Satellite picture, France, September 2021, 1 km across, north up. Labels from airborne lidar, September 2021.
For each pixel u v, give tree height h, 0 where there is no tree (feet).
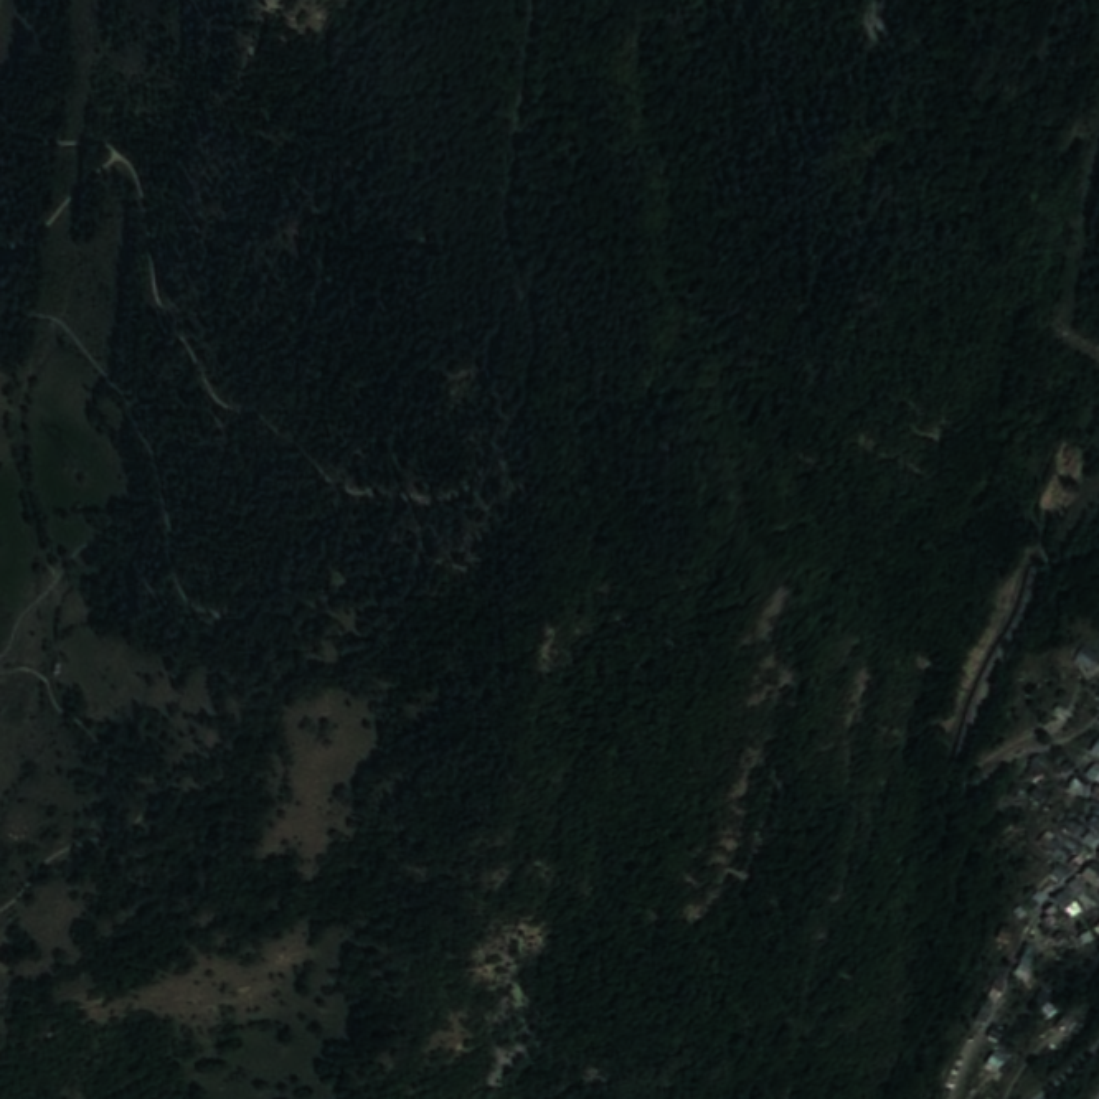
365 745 0
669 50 65
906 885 51
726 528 59
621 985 63
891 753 43
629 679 96
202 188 99
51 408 0
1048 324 54
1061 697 27
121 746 31
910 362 63
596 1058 55
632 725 70
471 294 87
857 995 57
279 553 28
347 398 48
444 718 51
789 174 87
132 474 46
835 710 24
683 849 51
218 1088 0
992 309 62
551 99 70
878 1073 41
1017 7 67
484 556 42
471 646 49
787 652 43
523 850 51
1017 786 24
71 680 0
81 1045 36
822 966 39
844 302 64
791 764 65
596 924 71
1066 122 67
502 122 67
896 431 43
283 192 36
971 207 75
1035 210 56
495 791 61
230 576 32
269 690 49
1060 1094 47
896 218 79
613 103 85
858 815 28
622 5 59
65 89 51
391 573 44
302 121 66
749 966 43
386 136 71
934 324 66
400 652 66
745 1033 36
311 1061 0
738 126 64
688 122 57
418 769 42
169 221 36
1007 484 35
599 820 35
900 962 41
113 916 19
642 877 67
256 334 31
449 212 69
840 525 69
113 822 71
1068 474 0
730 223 64
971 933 87
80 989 0
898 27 64
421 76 62
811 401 51
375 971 32
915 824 38
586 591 40
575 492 55
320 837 0
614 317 71
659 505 75
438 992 35
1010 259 41
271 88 47
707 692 65
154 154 47
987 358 61
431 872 38
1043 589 61
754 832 50
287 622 52
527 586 58
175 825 68
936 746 82
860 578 43
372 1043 59
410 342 72
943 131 81
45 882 43
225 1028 25
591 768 71
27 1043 40
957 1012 79
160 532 48
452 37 83
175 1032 30
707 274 79
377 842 52
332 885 56
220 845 74
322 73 38
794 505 45
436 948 54
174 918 39
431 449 78
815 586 53
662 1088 23
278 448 33
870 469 57
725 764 52
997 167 84
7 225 64
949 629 51
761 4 53
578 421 67
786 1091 115
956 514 42
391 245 44
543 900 66
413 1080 31
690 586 59
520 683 52
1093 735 27
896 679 47
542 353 71
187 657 29
